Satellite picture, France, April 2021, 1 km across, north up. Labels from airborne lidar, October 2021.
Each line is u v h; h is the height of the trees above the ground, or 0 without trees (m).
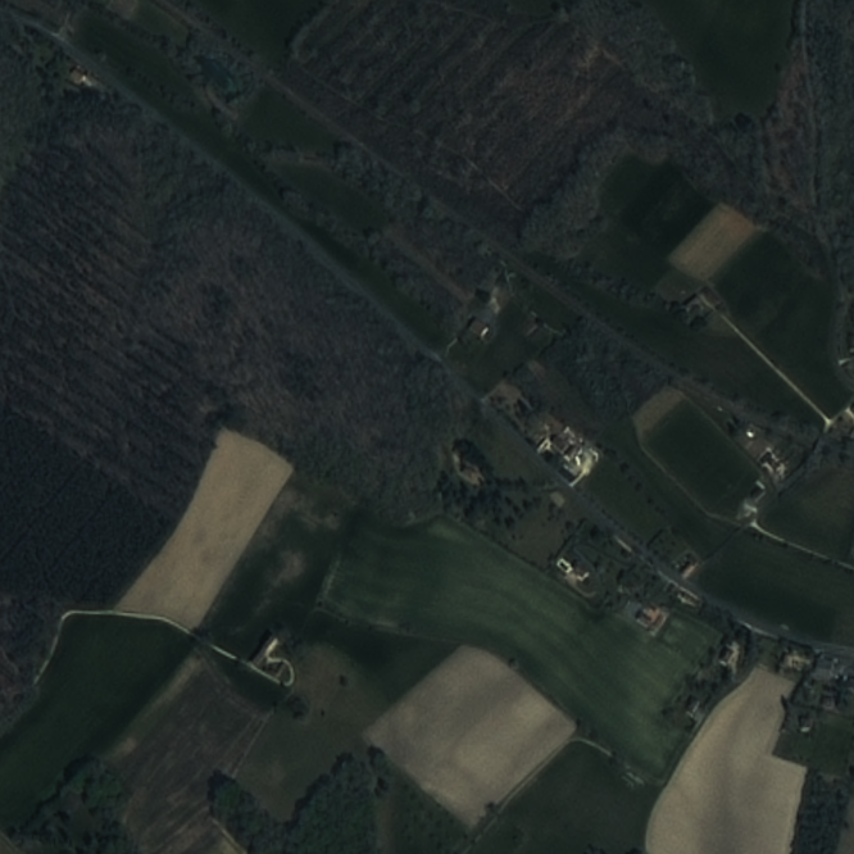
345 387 22
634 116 7
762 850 0
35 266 11
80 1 16
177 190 13
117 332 11
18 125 23
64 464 19
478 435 7
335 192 0
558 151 6
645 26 23
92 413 14
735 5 0
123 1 0
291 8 0
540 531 0
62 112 21
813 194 29
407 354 22
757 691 0
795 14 14
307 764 0
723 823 0
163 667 0
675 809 0
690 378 14
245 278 22
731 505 0
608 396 8
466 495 15
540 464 0
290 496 0
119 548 17
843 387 0
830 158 29
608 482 0
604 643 0
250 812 22
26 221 15
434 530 0
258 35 0
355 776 23
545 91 8
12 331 9
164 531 17
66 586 18
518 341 0
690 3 0
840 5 23
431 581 0
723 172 9
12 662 16
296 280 16
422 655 0
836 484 0
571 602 0
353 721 0
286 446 22
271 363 18
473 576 0
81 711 0
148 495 14
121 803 13
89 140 13
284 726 0
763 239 0
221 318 24
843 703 11
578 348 26
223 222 19
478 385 0
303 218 12
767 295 0
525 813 0
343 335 19
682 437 0
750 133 26
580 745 0
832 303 0
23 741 0
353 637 0
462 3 7
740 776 0
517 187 6
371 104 8
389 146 7
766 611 0
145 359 10
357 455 25
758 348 0
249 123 0
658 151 18
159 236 14
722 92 0
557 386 0
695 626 0
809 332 0
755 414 6
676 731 0
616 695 0
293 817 0
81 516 16
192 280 13
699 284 0
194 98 0
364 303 17
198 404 13
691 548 0
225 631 0
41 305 13
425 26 25
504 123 6
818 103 22
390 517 26
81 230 16
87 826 0
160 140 19
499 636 0
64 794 14
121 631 0
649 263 0
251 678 0
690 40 0
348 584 0
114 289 15
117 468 17
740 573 0
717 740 0
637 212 0
